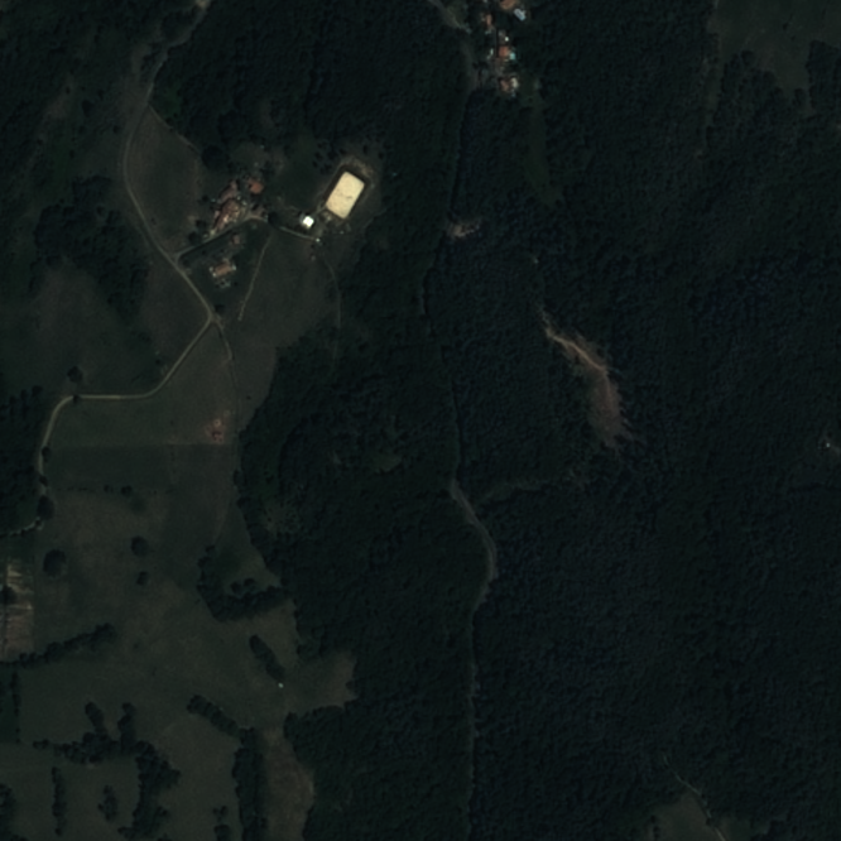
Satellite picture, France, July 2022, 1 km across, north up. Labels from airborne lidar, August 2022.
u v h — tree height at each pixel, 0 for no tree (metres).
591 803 24
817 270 17
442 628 26
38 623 0
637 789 18
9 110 18
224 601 17
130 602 0
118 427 0
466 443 18
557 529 17
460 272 21
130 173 0
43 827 0
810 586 21
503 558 15
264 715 0
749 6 0
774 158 10
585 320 13
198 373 0
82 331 0
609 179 20
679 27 11
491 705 28
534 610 18
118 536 0
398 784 11
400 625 21
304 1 9
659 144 16
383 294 16
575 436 19
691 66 12
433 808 14
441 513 24
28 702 0
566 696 24
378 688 17
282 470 12
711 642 23
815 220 17
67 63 9
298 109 14
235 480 5
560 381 25
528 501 20
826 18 0
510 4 0
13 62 22
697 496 25
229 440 0
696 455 21
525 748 19
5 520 17
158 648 0
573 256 15
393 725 25
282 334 0
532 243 31
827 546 18
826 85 14
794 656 17
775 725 22
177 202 0
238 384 0
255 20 21
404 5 15
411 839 15
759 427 16
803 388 18
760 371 20
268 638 0
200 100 10
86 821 0
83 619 0
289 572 22
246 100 26
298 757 8
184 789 0
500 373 14
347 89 19
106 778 0
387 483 12
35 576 0
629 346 25
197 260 0
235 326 0
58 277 0
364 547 25
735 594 20
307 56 25
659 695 13
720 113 9
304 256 0
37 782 0
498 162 20
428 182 16
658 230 14
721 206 20
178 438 0
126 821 0
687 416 18
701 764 24
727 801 12
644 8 14
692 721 19
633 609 18
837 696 13
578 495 18
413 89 11
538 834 21
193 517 0
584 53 19
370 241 6
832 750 9
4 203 8
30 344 0
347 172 0
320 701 0
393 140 8
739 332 20
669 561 23
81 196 11
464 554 18
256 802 19
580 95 18
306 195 0
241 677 0
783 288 24
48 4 9
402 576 14
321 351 9
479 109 13
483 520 17
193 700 6
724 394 23
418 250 14
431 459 12
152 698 0
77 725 0
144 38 8
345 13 18
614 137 16
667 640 15
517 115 11
